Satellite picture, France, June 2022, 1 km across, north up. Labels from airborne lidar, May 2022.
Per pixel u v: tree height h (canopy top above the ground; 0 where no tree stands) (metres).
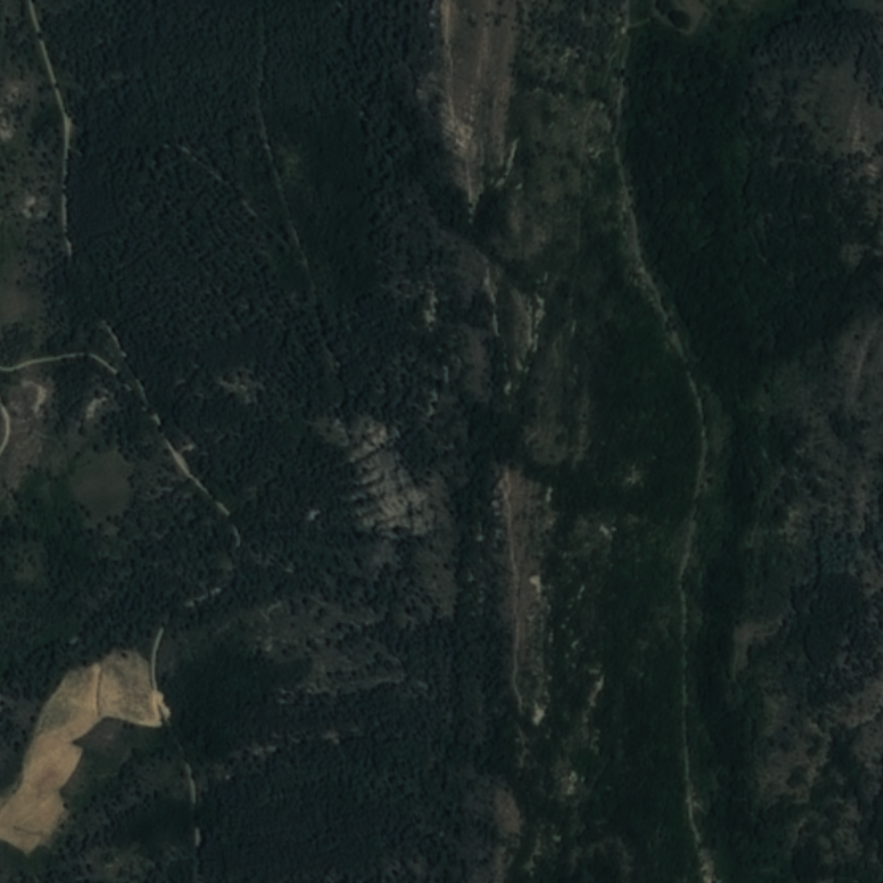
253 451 15
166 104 10
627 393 9
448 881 10
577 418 7
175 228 20
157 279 18
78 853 10
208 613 10
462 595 7
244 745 12
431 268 9
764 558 8
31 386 0
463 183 0
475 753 8
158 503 11
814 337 11
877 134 0
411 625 9
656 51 12
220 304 16
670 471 13
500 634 6
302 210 6
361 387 20
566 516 7
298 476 22
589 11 12
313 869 20
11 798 0
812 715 6
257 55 13
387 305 16
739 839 7
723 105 14
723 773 10
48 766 0
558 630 7
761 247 10
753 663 9
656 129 6
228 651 10
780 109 7
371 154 16
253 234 20
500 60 0
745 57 9
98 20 13
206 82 12
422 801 12
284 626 0
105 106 17
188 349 19
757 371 12
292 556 12
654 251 9
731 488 8
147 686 0
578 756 10
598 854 7
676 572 9
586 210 8
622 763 7
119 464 0
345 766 16
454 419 6
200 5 17
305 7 12
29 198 0
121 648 11
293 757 13
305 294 11
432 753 12
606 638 7
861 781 7
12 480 0
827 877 7
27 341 8
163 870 15
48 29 11
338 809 13
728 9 8
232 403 16
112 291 17
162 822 14
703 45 6
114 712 0
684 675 9
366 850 18
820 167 6
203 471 15
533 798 6
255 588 13
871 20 11
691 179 13
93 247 19
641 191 13
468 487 8
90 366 15
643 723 11
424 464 13
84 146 10
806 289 14
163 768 0
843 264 10
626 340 9
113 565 10
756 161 9
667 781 10
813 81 6
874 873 8
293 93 12
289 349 19
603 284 6
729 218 10
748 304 6
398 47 9
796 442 10
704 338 13
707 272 11
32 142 6
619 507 10
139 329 21
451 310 7
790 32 18
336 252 6
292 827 18
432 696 8
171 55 17
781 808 10
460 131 0
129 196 19
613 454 9
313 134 6
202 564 8
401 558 8
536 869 9
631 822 11
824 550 13
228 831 16
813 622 11
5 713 9
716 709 9
